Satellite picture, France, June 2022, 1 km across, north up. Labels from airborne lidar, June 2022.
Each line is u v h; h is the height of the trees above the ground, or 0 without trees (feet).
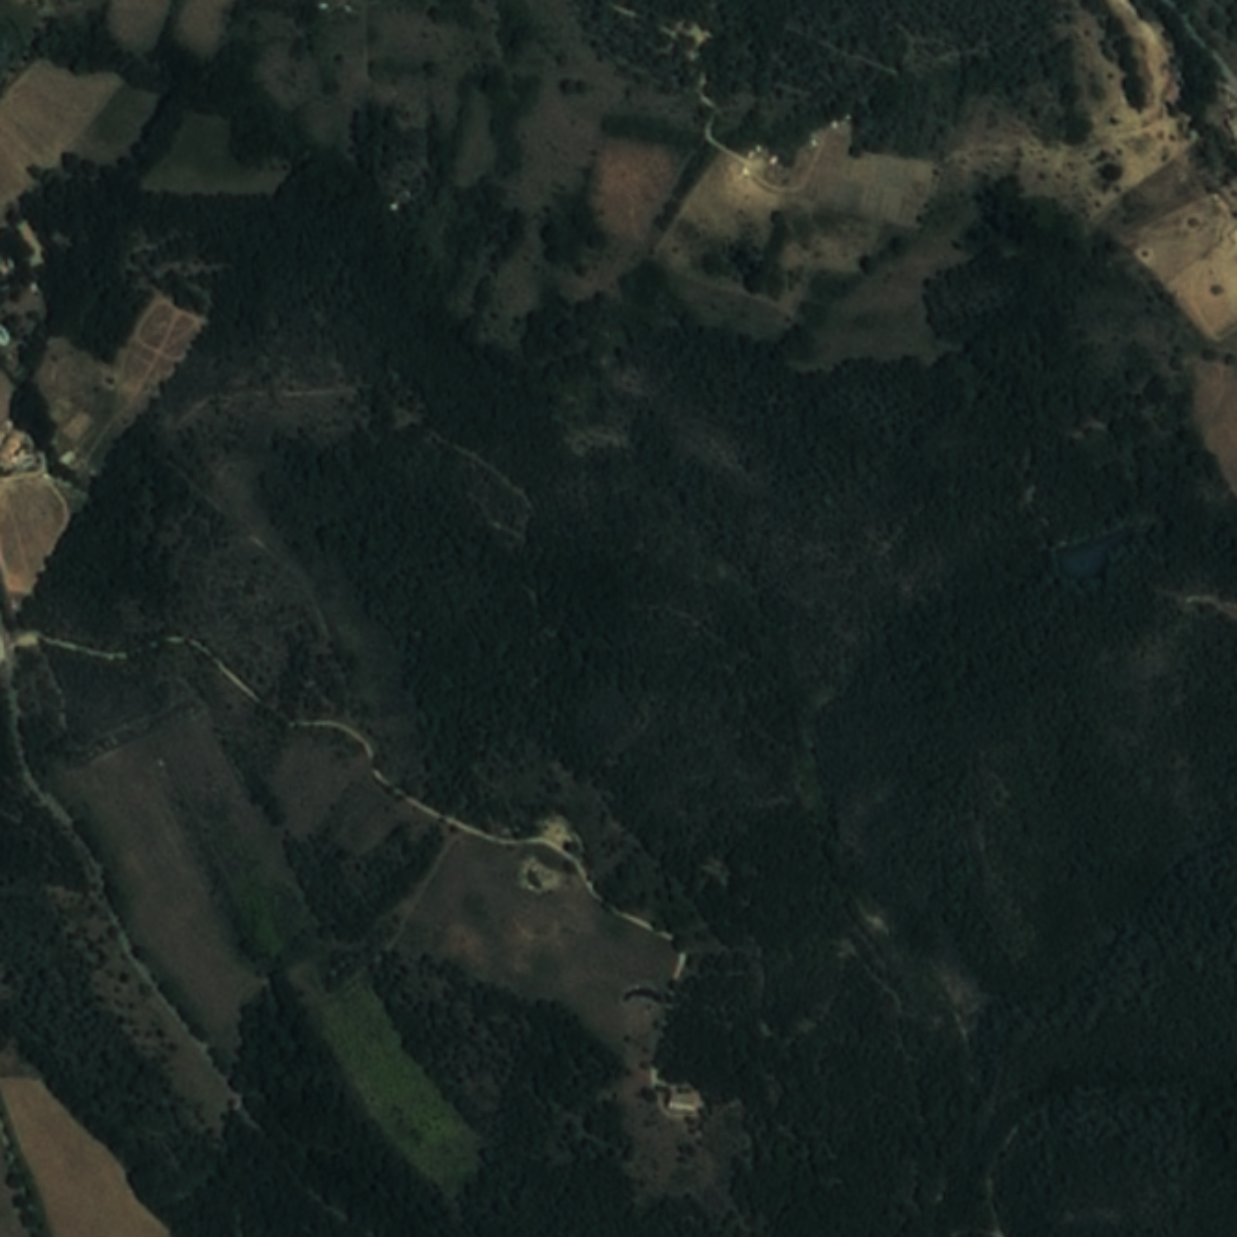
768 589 21
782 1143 43
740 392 53
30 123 0
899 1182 34
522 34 35
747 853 33
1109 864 37
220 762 0
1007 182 29
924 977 24
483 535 25
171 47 39
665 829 32
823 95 46
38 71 0
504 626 47
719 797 30
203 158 0
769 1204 44
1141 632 32
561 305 20
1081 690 24
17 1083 0
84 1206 0
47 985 60
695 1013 32
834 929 38
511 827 22
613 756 25
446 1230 30
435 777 20
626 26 41
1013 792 26
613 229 0
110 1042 63
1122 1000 67
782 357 54
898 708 39
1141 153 0
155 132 70
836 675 25
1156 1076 34
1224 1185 51
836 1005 26
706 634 25
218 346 20
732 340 44
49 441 46
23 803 36
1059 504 37
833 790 23
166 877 0
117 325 40
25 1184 47
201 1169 25
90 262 40
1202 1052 28
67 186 38
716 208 0
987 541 28
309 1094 43
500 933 0
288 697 23
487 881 0
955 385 41
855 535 26
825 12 49
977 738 27
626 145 0
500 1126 25
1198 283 0
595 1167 38
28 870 28
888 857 31
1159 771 27
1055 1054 43
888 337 0
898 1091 45
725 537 31
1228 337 0
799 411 36
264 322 31
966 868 34
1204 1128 53
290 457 39
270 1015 54
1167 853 20
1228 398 0
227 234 52
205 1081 0
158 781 0
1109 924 24
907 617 28
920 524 26
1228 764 26
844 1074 31
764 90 35
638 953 0
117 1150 47
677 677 32
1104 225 0
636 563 28
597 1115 42
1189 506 32
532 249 0
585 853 26
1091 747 49
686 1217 31
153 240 22
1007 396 27
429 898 0
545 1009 39
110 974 20
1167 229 0
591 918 0
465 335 50
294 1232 48
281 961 27
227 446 19
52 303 37
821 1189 42
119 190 53
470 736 33
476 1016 27
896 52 33
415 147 49
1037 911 28
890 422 57
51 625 20
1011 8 52
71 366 0
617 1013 0
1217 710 38
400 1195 34
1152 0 47
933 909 19
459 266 22
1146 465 47
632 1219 41
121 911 39
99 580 48
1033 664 19
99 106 0
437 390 54
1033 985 23
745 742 40
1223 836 39
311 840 24
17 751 33
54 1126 0
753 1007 22
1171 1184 23
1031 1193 29
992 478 47
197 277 27
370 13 0
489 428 40
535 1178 56
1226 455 0
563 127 0
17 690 32
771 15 40
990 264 34
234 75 38
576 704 40
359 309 51
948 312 38
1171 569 33
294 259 41
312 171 68
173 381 22
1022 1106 24
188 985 0
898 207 0
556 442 20
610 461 28
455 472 21
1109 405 42
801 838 52
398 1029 36
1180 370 27
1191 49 46
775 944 36
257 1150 57
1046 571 23
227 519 20
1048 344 46
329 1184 43
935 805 30
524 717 27
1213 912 43
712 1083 45
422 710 46
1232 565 36
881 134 41
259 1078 32
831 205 0
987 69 37
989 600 55
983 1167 23
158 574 42
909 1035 35
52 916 34
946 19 54
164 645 28
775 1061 39
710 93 27
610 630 29
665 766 25
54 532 0
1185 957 55
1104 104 0
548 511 27
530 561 31
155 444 34
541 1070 48
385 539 19
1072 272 25
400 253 38
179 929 0
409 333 34
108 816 0
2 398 0
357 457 40
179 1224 27
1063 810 27
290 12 40
